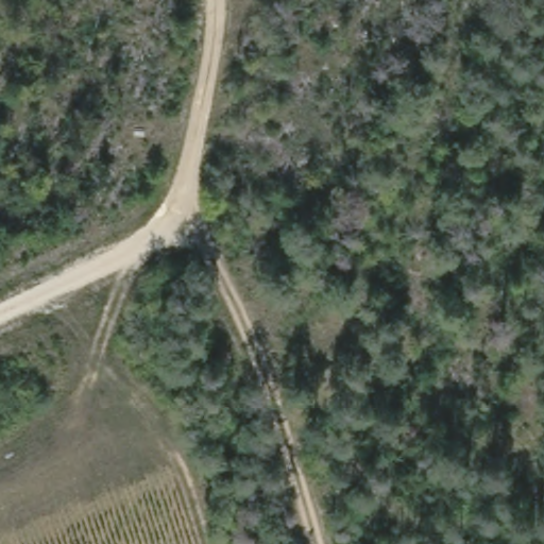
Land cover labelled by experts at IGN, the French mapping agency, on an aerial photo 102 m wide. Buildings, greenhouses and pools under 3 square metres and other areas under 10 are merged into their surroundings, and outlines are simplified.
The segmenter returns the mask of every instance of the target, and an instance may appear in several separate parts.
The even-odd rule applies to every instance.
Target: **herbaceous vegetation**
[[[100,189],[94,193],[94,200],[100,202],[104,210],[87,213],[91,225],[79,238],[70,238],[68,242],[57,244],[55,249],[30,259],[28,264],[21,264],[21,251],[13,253],[9,257],[9,268],[0,270],[0,302],[19,291],[36,287],[43,278],[60,274],[74,261],[91,257],[100,249],[106,249],[132,236],[136,230],[147,225],[147,221],[155,215],[164,200],[153,191],[151,196],[119,198],[119,193],[113,189]]]
[[[236,43],[236,30],[240,26],[240,19],[255,0],[225,0],[223,53]]]
[[[281,295],[274,283],[255,281],[253,257],[227,264],[227,270],[238,287],[238,293],[247,304],[253,327],[264,325],[270,342],[270,353],[283,355],[283,317],[285,312],[298,310],[300,304],[291,295]]]
[[[121,336],[115,334],[121,306],[130,293],[134,270],[117,270],[72,293],[53,298],[38,312],[53,312],[70,332],[74,332],[81,346],[68,353],[68,366],[53,368],[53,374],[47,378],[51,385],[51,395],[38,408],[38,412],[34,412],[36,421],[23,427],[19,434],[0,440],[0,544],[36,544],[45,538],[62,536],[62,531],[66,531],[68,525],[87,519],[89,514],[100,514],[102,510],[115,508],[119,504],[134,506],[134,502],[145,493],[159,491],[164,487],[185,487],[187,482],[183,470],[174,459],[168,459],[168,455],[172,451],[179,451],[185,457],[193,446],[187,442],[185,425],[170,421],[170,397],[155,393],[147,383],[138,378],[136,372],[130,372],[136,363],[149,361],[145,346],[128,344],[125,340],[121,340]]]

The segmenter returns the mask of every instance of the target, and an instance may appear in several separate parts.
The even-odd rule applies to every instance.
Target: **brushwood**
[[[38,412],[38,408],[51,395],[51,385],[47,378],[53,374],[53,368],[68,366],[68,353],[81,346],[74,332],[70,332],[53,312],[38,312],[21,315],[0,325],[0,440],[19,434],[23,427],[36,421],[34,412]]]

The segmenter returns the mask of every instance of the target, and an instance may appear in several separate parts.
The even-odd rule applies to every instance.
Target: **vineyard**
[[[119,504],[115,508],[102,510],[100,514],[89,514],[87,519],[68,525],[66,531],[62,531],[62,536],[45,538],[36,544],[234,544],[234,540],[230,540],[225,533],[215,533],[213,538],[208,538],[206,527],[204,480],[208,476],[217,476],[219,472],[225,472],[225,459],[208,457],[206,448],[198,442],[193,446],[185,457],[179,451],[172,451],[168,455],[168,459],[174,459],[183,470],[187,482],[185,487],[164,487],[159,491],[145,493],[134,502],[134,506]]]

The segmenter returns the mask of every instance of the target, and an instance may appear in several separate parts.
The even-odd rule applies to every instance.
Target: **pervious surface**
[[[206,244],[206,232],[202,227],[208,221],[198,215],[200,164],[204,157],[206,128],[210,119],[213,94],[219,79],[223,53],[225,0],[204,0],[206,32],[202,62],[198,70],[198,85],[193,89],[191,115],[181,162],[164,200],[155,215],[147,221],[147,225],[136,230],[132,236],[106,249],[100,249],[91,257],[74,261],[60,274],[43,278],[36,287],[19,291],[0,302],[0,325],[21,315],[38,312],[53,298],[72,293],[117,270],[134,270],[142,264],[149,272],[193,272],[198,276],[200,272],[210,274],[217,268],[219,295],[223,298],[236,325],[236,329],[230,332],[232,351],[225,355],[230,361],[232,383],[236,380],[240,389],[257,397],[257,410],[278,408],[283,404],[283,387],[278,385],[283,372],[283,355],[270,353],[270,342],[264,325],[253,327],[247,304],[238,293],[238,287],[227,270],[227,264],[225,259],[219,259],[219,244]]]
[[[310,544],[325,544],[323,508],[315,504],[308,478],[304,474],[304,468],[300,465],[302,444],[298,440],[298,434],[285,421],[272,425],[274,442],[281,446],[285,470],[289,474],[291,487],[295,489],[295,510],[300,514],[300,523]]]

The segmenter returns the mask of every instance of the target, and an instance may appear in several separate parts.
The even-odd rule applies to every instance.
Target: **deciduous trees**
[[[0,270],[9,268],[9,257],[13,253],[21,251],[21,264],[28,264],[30,259],[55,249],[57,244],[68,242],[70,238],[79,238],[91,225],[87,213],[104,210],[100,202],[94,200],[94,193],[100,189],[113,189],[115,179],[111,176],[111,166],[115,155],[111,153],[111,145],[102,140],[98,155],[87,147],[98,136],[102,113],[113,113],[121,106],[119,98],[123,98],[123,85],[119,72],[113,72],[106,66],[106,62],[111,60],[111,49],[119,43],[117,26],[134,26],[134,21],[130,17],[111,17],[108,13],[100,13],[98,23],[94,19],[81,19],[79,23],[70,21],[70,11],[74,9],[77,0],[0,0]]]

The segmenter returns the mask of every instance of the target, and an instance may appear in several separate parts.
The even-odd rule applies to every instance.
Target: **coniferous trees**
[[[98,155],[102,140],[111,145],[111,153],[115,155],[111,166],[111,176],[115,179],[113,189],[119,193],[119,198],[151,196],[153,191],[164,200],[181,162],[191,115],[193,89],[198,85],[198,70],[202,62],[206,32],[204,0],[77,0],[74,9],[70,11],[70,21],[79,23],[81,19],[94,19],[98,23],[100,13],[108,13],[111,17],[130,17],[134,21],[134,26],[117,26],[119,43],[111,49],[111,60],[106,62],[106,66],[113,72],[119,72],[123,85],[123,98],[119,98],[121,106],[113,113],[102,113],[98,136],[87,147]]]
[[[281,446],[274,442],[272,425],[285,421],[298,434],[298,440],[302,444],[300,465],[304,468],[304,474],[308,478],[315,504],[323,508],[325,544],[544,544],[544,0],[255,0],[240,19],[240,26],[236,30],[236,43],[223,53],[219,79],[213,94],[210,119],[206,128],[204,157],[200,164],[198,215],[208,221],[202,227],[206,232],[206,244],[219,244],[219,259],[225,259],[227,264],[253,257],[255,281],[274,283],[281,295],[291,295],[300,304],[298,310],[285,312],[283,317],[283,355],[283,372],[278,385],[283,387],[283,404],[278,408],[257,410],[257,397],[240,389],[236,380],[232,383],[230,361],[225,355],[232,351],[230,332],[236,329],[236,325],[223,298],[219,295],[217,268],[210,274],[200,272],[198,276],[193,272],[149,272],[142,264],[134,270],[130,293],[121,306],[115,334],[121,336],[121,340],[125,340],[128,344],[145,346],[149,361],[136,363],[130,372],[136,372],[138,378],[147,383],[155,393],[170,397],[170,421],[185,425],[187,442],[193,446],[198,442],[206,448],[208,457],[225,459],[225,472],[219,472],[217,476],[208,476],[204,480],[206,527],[208,538],[213,538],[215,533],[225,533],[230,540],[234,540],[234,544],[310,544],[300,523],[300,514],[295,510],[295,489],[291,487],[289,474],[285,470]]]

